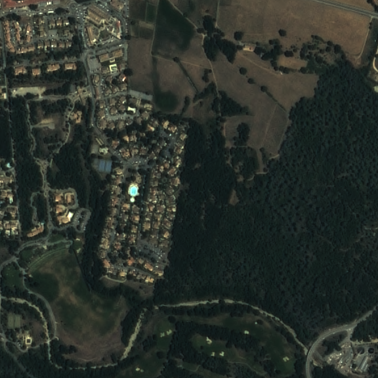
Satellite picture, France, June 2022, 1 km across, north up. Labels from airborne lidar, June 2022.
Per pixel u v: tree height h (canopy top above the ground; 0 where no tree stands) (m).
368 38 0
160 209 0
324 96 19
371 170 24
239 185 11
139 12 0
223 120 18
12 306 11
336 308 15
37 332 0
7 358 12
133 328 11
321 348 0
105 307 0
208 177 13
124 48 0
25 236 10
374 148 14
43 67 10
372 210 17
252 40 0
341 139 12
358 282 23
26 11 0
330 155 19
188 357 15
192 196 12
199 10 0
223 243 9
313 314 23
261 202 23
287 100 0
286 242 6
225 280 12
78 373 21
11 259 0
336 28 0
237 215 6
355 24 0
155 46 0
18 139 9
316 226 24
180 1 0
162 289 9
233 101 9
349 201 14
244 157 10
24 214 11
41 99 0
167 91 0
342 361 0
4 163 12
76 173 12
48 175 11
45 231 13
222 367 15
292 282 7
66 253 0
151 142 11
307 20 0
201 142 17
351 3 0
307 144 9
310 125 23
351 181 17
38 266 0
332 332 0
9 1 0
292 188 22
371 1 15
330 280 17
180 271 15
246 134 15
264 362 8
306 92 0
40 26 0
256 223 9
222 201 14
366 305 14
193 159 14
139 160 0
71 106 11
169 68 0
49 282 0
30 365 12
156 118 11
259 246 7
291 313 13
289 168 20
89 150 11
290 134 20
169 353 11
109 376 16
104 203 12
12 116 11
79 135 7
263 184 25
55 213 8
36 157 10
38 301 13
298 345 11
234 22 0
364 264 12
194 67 0
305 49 14
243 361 0
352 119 17
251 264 19
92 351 0
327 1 0
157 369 0
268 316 9
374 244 10
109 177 11
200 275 11
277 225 7
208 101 0
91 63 0
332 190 16
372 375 13
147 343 17
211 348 0
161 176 6
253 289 7
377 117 18
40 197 11
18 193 9
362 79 18
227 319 0
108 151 9
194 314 14
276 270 7
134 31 0
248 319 0
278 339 0
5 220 10
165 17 0
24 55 19
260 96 0
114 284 0
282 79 0
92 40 0
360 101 22
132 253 13
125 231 11
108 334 0
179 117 10
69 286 0
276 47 16
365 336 8
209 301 9
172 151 12
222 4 0
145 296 0
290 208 24
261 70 0
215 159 15
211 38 11
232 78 0
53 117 0
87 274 11
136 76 0
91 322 0
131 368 0
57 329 0
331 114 22
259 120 0
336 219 10
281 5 0
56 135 9
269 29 0
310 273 8
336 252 11
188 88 0
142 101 6
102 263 10
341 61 10
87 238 12
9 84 7
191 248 15
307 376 0
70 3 0
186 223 12
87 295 0
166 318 0
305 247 24
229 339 13
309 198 6
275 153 0
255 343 15
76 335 0
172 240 13
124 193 11
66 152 7
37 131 9
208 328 17
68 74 15
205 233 14
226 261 7
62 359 16
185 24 0
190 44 0
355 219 10
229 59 13
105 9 0
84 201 12
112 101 0
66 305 0
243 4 0
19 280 0
